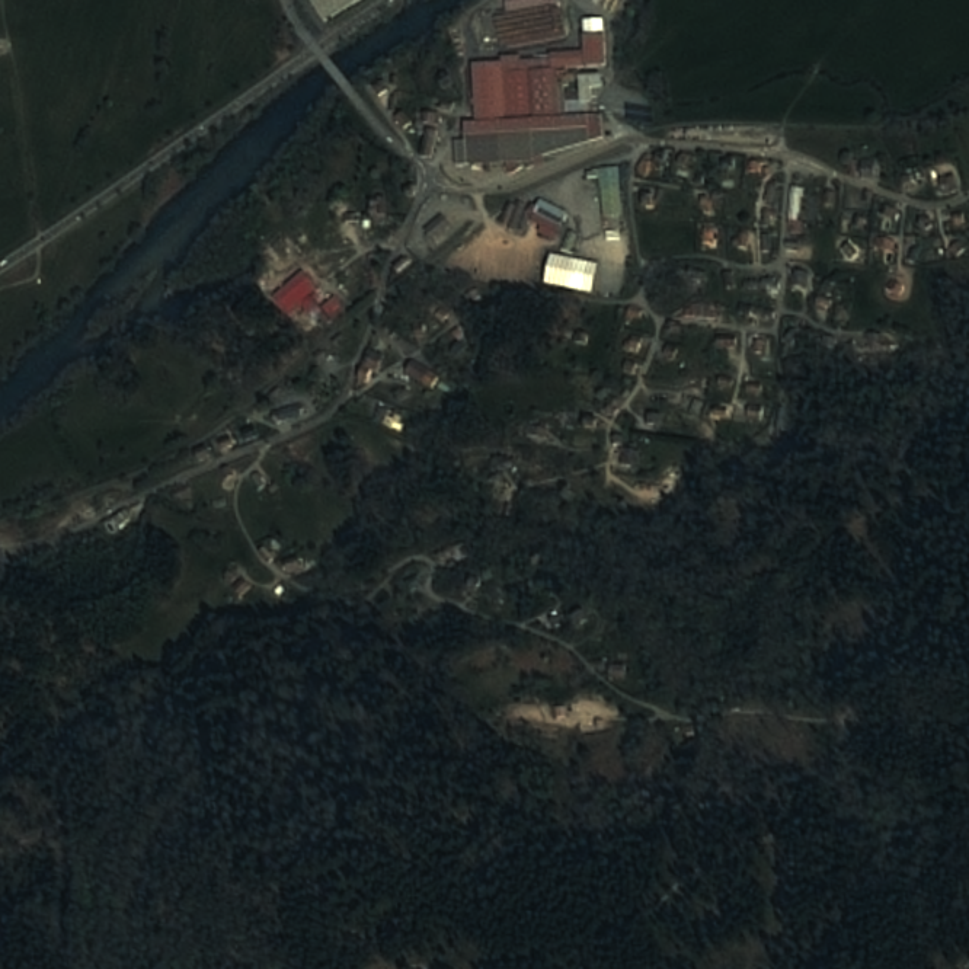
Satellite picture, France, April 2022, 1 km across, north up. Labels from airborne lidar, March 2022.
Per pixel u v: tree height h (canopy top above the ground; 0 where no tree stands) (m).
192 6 0
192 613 0
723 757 24
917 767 25
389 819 12
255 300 20
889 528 8
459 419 27
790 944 0
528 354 25
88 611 10
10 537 0
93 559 14
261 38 0
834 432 20
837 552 17
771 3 0
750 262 0
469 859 31
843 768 24
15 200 0
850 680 29
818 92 0
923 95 0
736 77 0
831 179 0
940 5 0
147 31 0
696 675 12
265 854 26
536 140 0
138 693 29
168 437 0
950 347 7
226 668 13
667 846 28
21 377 0
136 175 0
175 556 20
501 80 0
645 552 21
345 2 0
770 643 20
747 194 0
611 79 0
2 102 0
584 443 0
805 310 0
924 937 20
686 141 0
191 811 21
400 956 25
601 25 0
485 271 0
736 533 0
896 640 10
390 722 16
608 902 29
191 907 21
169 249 0
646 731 16
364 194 0
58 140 0
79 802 27
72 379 17
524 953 31
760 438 0
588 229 0
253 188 12
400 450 0
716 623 13
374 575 10
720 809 23
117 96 0
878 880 17
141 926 18
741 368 0
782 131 0
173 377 0
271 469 0
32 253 0
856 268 0
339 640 32
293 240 0
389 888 29
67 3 0
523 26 0
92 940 22
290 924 23
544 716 0
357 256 0
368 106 0
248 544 0
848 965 24
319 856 18
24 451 0
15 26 0
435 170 0
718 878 26
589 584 22
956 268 0
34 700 7
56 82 0
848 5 0
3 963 31
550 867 35
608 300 0
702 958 27
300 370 0
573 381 8
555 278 0
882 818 25
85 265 0
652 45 0
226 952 18
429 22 0
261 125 0
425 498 18
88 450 0
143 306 0
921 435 9
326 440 0
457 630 23
